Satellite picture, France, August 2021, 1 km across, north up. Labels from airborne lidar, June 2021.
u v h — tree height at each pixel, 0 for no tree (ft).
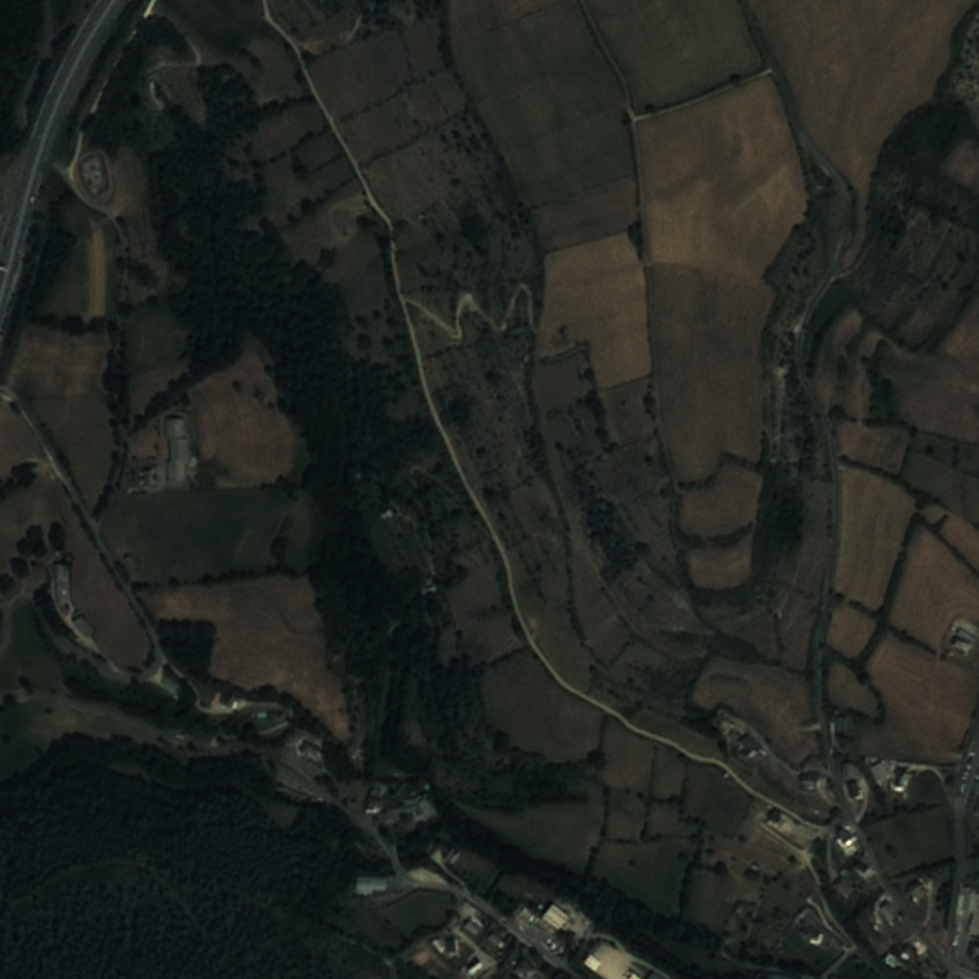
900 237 29
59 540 54
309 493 29
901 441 0
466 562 0
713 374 0
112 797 35
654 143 0
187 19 0
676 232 0
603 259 0
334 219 0
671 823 0
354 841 49
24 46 36
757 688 0
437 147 0
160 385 0
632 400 0
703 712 31
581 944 24
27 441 0
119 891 24
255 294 47
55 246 39
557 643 0
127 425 38
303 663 0
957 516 0
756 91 0
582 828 0
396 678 31
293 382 35
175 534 0
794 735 0
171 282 0
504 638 0
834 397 0
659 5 0
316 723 36
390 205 0
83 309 0
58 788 30
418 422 33
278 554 50
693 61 0
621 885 0
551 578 0
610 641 0
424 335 0
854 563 0
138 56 36
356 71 0
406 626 33
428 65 0
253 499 0
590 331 0
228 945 32
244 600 0
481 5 0
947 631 0
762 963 22
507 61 0
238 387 28
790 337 35
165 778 39
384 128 0
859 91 0
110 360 36
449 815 41
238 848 60
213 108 29
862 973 30
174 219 34
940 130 31
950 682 0
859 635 0
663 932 96
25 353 0
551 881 61
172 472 0
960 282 0
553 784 21
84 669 35
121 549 0
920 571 0
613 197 0
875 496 0
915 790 0
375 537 0
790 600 0
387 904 0
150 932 31
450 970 0
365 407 37
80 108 18
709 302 0
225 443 0
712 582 0
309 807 44
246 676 0
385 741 37
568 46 0
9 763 0
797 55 0
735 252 0
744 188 0
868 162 0
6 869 68
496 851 55
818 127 0
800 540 34
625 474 0
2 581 37
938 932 0
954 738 0
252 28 0
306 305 62
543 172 0
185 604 0
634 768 0
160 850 50
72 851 35
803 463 34
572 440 0
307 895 21
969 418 0
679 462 0
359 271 0
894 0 0
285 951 33
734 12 0
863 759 18
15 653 0
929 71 0
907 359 0
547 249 0
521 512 0
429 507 34
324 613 45
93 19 0
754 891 0
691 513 0
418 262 0
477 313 0
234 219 29
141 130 38
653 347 0
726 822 0
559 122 0
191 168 53
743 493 0
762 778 0
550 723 0
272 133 0
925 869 35
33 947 33
